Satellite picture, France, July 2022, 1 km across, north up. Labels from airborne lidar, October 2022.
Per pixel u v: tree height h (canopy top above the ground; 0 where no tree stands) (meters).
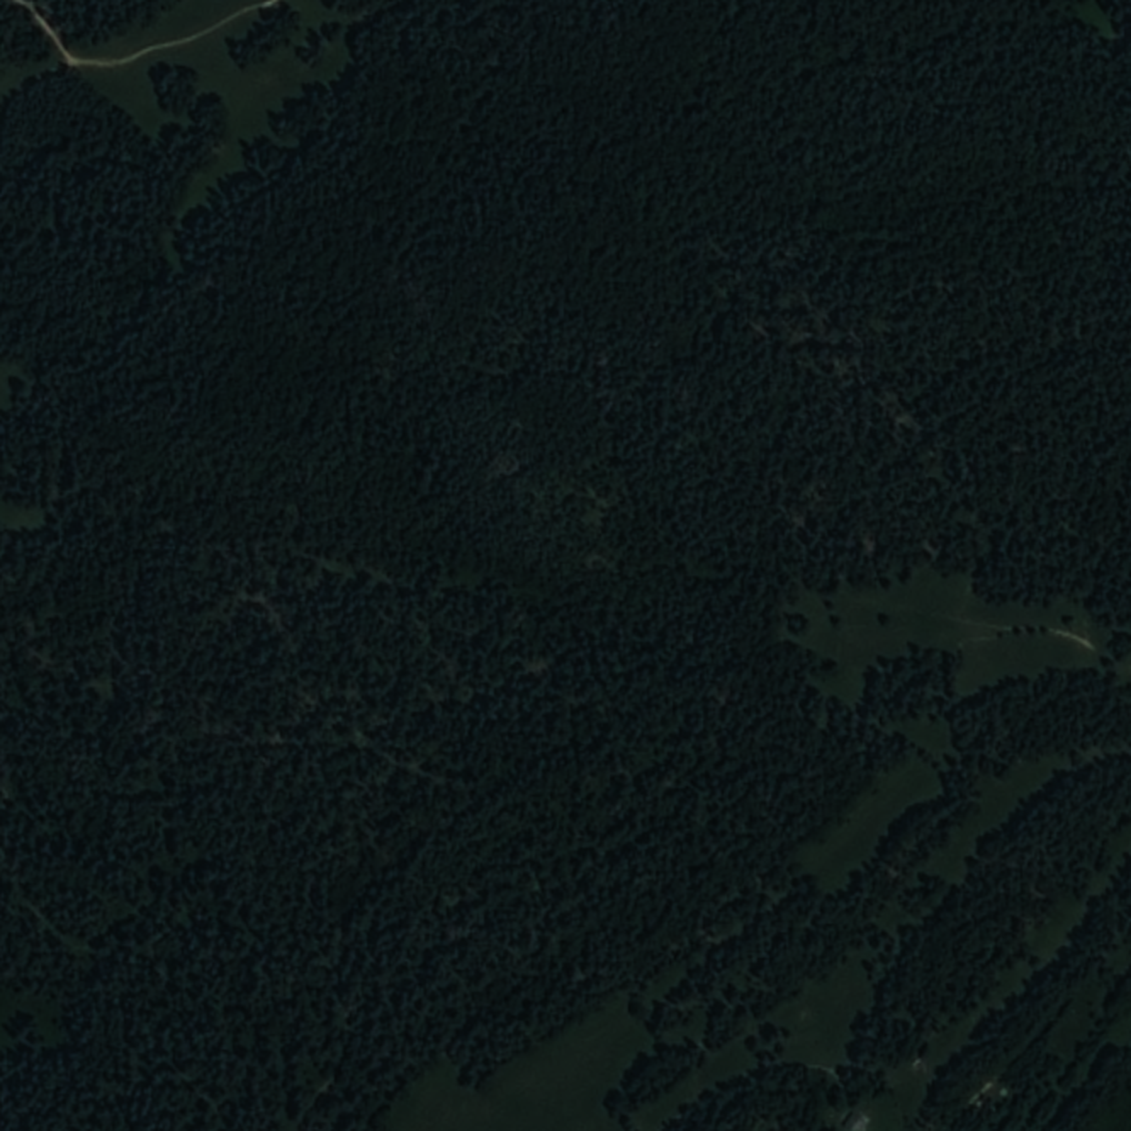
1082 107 20
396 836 25
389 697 8
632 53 18
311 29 0
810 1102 10
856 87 20
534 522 16
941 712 11
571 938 15
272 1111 23
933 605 0
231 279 25
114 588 19
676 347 22
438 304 17
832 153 22
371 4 31
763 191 21
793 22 17
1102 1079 25
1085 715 18
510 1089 0
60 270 22
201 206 0
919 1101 0
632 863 25
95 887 8
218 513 17
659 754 11
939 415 29
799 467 20
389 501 20
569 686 26
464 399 17
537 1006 21
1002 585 19
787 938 17
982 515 10
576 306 20
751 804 14
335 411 22
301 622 22
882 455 29
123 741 13
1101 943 29
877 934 14
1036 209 20
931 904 19
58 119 15
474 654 23
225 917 9
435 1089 0
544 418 14
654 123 25
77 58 0
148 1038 34
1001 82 21
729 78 23
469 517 27
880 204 14
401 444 16
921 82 14
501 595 22
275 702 20
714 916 25
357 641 27
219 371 20
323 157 24
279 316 21
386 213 21
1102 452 29
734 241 19
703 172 19
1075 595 20
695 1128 20
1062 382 8
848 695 0
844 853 0
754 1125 12
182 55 0
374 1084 21
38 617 23
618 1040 0
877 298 24
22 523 0
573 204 20
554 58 19
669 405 14
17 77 0
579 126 22
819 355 30
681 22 21
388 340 17
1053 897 16
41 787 15
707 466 11
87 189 31
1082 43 28
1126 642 19
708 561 14
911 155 19
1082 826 18
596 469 14
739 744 19
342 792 30
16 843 22
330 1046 18
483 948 21
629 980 22
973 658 0
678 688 25
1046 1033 14
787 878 20
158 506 18
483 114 25
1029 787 0
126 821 17
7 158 19
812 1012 0
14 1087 19
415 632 21
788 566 21
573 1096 0
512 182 18
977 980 15
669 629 19
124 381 12
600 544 10
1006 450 23
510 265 18
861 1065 21
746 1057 0
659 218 21
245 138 0
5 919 29
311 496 18
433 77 21
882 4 20
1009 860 12
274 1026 11
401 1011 24
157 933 11
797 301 25
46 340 10
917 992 22
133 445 19
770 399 13
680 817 15
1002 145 22
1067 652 0
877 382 15
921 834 28
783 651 17
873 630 0
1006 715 22
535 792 16
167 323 19
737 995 21
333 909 26
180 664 29
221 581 17
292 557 12
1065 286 27
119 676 21
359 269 23
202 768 30
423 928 28
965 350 16
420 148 24
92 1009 29
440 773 25
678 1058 27
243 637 21
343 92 30
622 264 21
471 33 22
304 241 20
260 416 26
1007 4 20
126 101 0
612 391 24
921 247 15
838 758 17
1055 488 13
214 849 16
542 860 6
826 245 21
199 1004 15
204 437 17
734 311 17
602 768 22
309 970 24
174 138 26
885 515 16
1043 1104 15
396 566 15
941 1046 0
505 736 30
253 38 13
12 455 28
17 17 15
